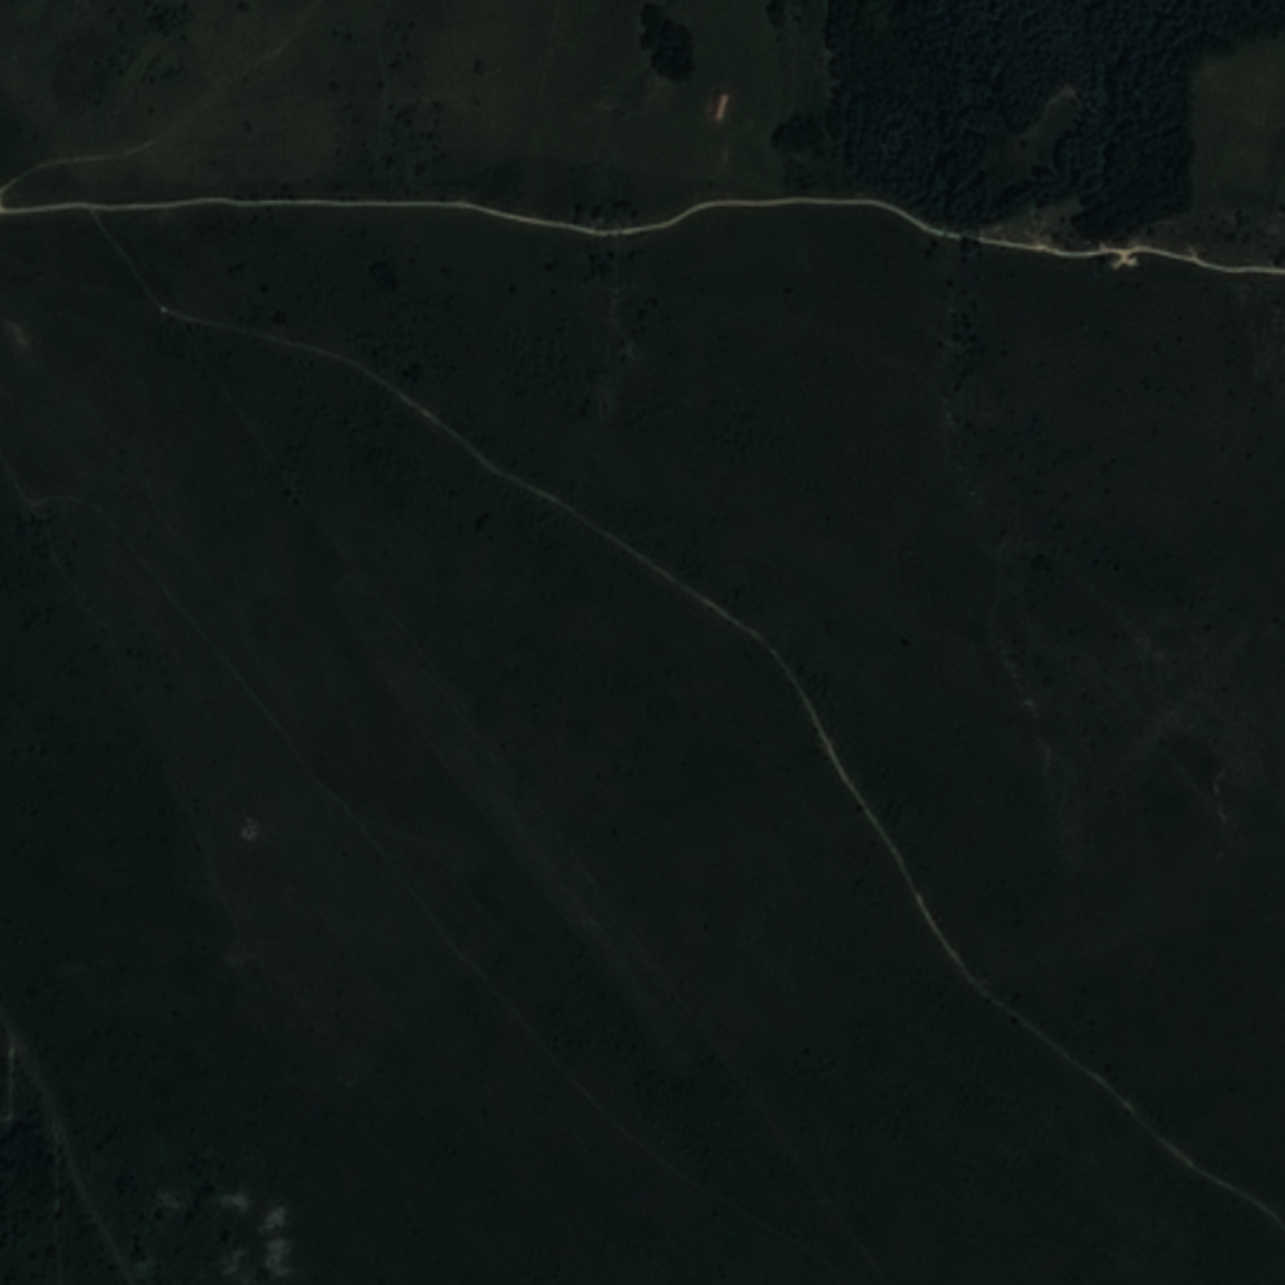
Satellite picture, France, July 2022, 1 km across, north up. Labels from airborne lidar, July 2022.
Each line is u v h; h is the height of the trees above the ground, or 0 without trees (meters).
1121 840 0
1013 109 18
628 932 0
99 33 0
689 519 0
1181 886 0
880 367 0
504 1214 0
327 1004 0
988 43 15
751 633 0
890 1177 0
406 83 0
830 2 8
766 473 0
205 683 0
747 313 0
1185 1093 0
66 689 0
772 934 0
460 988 0
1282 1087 0
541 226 0
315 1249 0
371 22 0
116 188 0
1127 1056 0
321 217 0
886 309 0
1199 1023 0
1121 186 11
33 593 0
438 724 0
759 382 0
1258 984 0
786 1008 0
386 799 0
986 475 0
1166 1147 0
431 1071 0
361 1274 0
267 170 0
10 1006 0
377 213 0
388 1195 0
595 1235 0
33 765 0
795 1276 0
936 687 0
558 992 0
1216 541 0
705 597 0
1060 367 0
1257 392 0
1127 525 0
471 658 0
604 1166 0
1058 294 0
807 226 0
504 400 0
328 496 0
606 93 0
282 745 0
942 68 14
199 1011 0
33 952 0
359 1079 0
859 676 0
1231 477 0
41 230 0
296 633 0
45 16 0
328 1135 0
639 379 0
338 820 0
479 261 0
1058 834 0
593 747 0
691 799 0
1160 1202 0
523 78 0
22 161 0
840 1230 0
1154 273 0
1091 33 19
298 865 0
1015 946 0
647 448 0
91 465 0
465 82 0
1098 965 0
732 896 0
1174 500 0
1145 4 22
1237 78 0
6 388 0
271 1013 0
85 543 0
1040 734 0
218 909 0
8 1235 8
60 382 0
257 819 0
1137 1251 0
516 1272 0
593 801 0
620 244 0
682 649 0
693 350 0
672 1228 0
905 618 0
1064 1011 0
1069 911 0
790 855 0
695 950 0
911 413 0
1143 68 17
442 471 0
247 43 0
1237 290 0
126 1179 6
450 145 0
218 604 0
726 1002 0
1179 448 0
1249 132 0
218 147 0
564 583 0
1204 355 0
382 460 5
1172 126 8
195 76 0
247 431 0
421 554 0
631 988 0
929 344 0
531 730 0
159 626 0
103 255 0
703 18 0
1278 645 0
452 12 0
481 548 0
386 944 0
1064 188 17
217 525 0
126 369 0
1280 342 0
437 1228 0
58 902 0
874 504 0
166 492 0
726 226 0
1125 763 0
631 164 0
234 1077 0
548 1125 0
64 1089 0
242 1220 0
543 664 0
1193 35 12
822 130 10
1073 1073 0
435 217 0
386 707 0
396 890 0
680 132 0
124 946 0
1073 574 0
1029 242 0
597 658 0
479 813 0
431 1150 0
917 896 0
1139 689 0
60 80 0
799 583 0
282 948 0
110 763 0
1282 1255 0
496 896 0
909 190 14
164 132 0
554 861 0
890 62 9
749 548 0
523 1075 0
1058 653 0
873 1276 0
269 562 0
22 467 0
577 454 0
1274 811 0
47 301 0
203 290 0
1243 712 0
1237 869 0
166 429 0
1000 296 0
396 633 0
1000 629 0
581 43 0
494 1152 0
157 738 0
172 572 0
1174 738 0
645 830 0
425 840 0
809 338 0
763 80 0
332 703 0
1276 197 0
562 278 0
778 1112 0
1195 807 0
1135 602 0
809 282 0
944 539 0
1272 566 0
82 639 0
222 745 0
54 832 0
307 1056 0
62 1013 0
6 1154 8
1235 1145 0
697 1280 0
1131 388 0
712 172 0
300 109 0
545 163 0
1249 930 0
